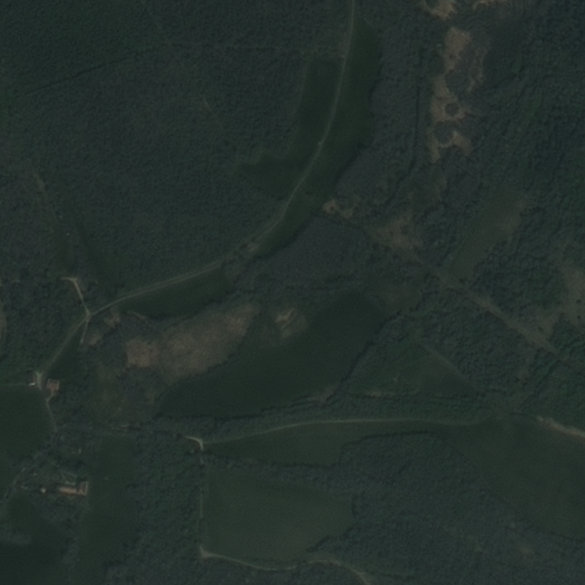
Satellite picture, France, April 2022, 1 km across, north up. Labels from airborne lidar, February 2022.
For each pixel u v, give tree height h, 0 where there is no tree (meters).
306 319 0
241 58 16
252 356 0
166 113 12
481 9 6
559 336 6
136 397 21
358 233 23
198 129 14
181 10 15
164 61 12
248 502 0
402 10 20
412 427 0
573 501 0
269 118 15
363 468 18
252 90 10
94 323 6
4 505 23
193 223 10
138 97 14
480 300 0
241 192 14
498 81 7
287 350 0
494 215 0
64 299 26
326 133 0
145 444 23
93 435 12
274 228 0
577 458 0
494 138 19
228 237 12
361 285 6
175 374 0
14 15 16
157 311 0
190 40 15
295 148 0
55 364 0
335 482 24
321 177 0
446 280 0
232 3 16
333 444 0
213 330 0
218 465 11
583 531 0
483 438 0
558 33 21
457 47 0
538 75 7
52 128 14
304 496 0
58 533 0
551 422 0
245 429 19
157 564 21
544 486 0
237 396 0
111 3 14
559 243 18
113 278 0
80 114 14
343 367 0
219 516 0
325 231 25
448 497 16
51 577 0
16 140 25
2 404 0
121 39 15
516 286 13
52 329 30
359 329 0
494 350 12
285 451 0
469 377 15
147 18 14
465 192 28
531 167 10
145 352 0
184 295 0
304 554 0
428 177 25
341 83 0
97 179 11
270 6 13
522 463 0
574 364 0
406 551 23
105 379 0
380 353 10
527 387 12
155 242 11
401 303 0
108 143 12
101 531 0
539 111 7
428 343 6
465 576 20
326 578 20
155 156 12
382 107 24
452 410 11
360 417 17
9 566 0
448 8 0
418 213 0
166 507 21
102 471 0
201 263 6
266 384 0
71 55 15
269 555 0
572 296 0
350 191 24
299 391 0
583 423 5
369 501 23
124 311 0
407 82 7
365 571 20
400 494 23
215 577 11
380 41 6
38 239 31
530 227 11
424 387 0
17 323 22
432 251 6
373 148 6
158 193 12
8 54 17
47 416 0
